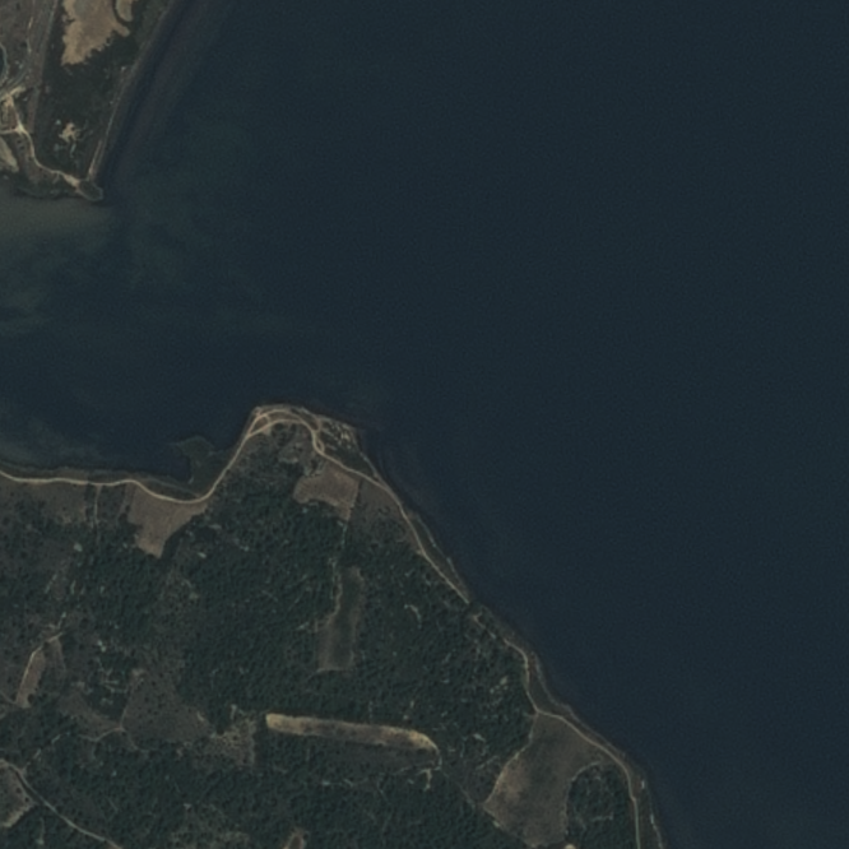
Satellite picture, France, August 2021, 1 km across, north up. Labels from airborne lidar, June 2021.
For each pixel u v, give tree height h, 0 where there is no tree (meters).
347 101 0
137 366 0
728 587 0
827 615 0
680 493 0
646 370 0
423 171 0
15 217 0
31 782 11
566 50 0
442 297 0
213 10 0
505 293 0
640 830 0
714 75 0
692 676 0
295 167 0
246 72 0
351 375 0
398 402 0
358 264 0
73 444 0
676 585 0
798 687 0
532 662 0
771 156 0
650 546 0
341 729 0
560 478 0
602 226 0
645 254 0
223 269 0
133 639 7
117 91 0
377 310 0
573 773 0
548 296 0
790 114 0
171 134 0
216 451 0
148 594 8
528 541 0
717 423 0
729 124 0
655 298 0
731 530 0
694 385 0
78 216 0
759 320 0
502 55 0
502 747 9
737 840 0
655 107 0
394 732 0
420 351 0
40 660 0
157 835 7
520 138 0
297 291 0
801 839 0
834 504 0
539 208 0
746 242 0
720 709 0
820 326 0
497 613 0
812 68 0
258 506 9
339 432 0
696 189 0
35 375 0
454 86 0
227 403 0
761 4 0
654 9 0
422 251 0
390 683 8
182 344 0
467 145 0
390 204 0
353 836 10
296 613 7
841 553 0
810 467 0
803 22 0
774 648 0
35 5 0
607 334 0
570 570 0
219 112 0
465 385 0
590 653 0
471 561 0
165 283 0
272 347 0
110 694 9
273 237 0
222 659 7
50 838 8
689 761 0
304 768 8
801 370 0
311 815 10
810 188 0
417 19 0
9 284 0
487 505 0
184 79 0
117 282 0
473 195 0
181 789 10
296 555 10
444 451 0
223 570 6
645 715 0
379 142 0
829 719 0
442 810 10
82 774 11
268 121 0
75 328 0
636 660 0
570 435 0
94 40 0
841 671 0
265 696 6
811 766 0
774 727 0
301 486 0
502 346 0
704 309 0
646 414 0
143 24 0
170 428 0
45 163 0
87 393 0
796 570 0
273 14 0
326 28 0
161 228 0
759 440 0
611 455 0
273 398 0
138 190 0
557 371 0
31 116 0
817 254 0
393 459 0
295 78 0
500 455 0
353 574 0
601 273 0
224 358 0
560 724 0
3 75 0
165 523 0
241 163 0
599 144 0
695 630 0
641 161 0
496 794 0
